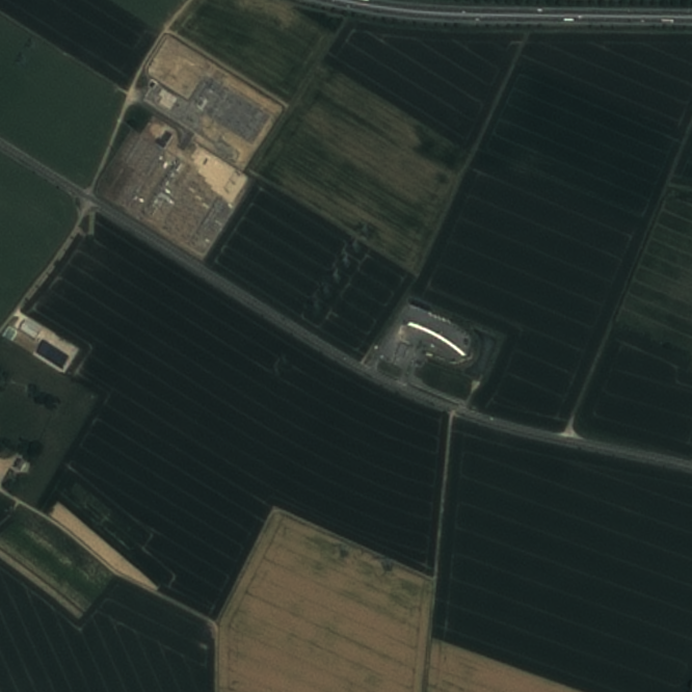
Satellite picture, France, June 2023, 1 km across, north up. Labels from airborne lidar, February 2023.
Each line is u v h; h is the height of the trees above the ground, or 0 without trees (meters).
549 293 0
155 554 0
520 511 0
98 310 0
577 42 0
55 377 0
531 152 0
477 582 0
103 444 0
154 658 0
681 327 0
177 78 0
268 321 0
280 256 0
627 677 0
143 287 0
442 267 0
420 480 0
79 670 0
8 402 0
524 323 0
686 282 0
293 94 0
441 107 0
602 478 0
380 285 0
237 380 0
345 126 0
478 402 0
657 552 0
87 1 0
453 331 0
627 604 0
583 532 0
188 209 0
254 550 0
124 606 0
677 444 0
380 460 0
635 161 0
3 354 0
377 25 0
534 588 0
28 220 0
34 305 0
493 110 0
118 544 0
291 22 0
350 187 0
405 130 0
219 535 0
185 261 0
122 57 0
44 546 0
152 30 0
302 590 0
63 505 0
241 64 0
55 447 0
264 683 0
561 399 0
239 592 0
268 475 0
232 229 0
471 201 0
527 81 0
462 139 0
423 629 0
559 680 0
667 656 0
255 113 0
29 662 0
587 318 0
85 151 0
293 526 0
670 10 0
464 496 0
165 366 0
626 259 0
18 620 0
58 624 0
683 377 0
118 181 0
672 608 0
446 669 0
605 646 0
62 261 0
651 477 0
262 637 0
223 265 0
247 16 0
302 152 0
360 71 0
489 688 0
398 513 0
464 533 0
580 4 7
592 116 0
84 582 0
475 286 0
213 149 0
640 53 0
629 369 0
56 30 0
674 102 0
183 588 0
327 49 0
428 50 0
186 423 0
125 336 0
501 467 0
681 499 0
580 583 0
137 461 0
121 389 0
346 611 0
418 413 0
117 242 0
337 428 0
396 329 0
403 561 0
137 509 0
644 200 0
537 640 0
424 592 0
